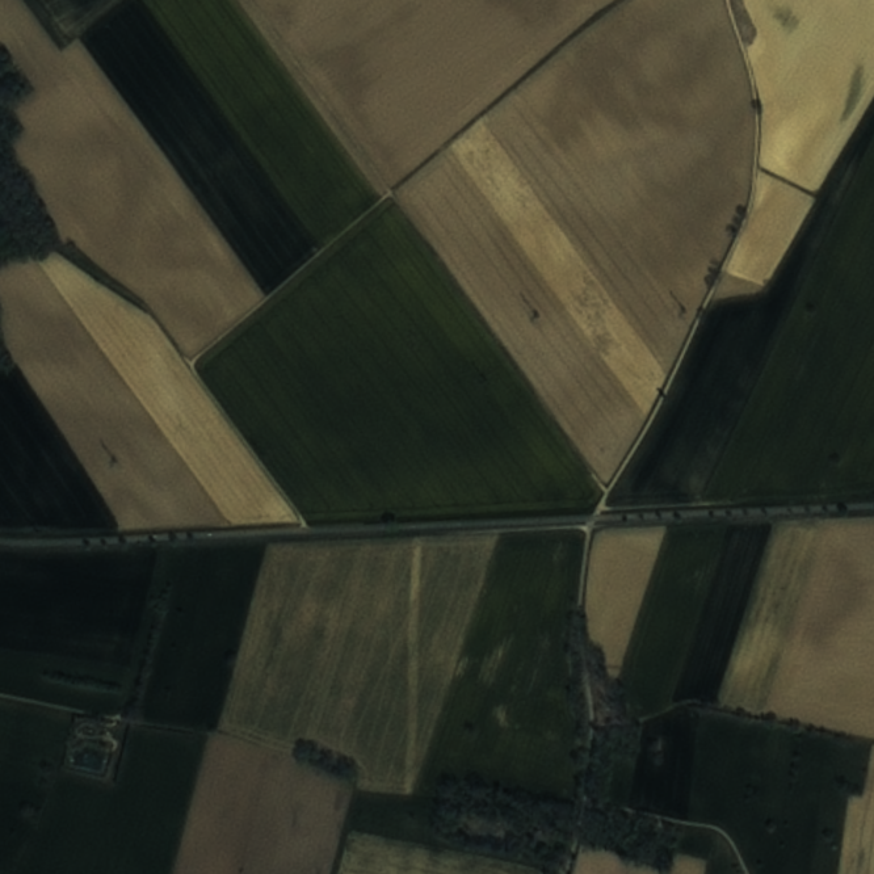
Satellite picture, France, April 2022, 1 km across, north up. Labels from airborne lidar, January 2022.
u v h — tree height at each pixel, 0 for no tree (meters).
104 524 0
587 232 0
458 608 0
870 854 0
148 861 0
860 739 0
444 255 0
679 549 0
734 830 0
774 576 0
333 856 0
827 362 0
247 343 0
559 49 0
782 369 0
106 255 0
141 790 0
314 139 0
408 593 0
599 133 0
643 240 0
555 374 0
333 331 0
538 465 0
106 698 0
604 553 0
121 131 0
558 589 0
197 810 0
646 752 0
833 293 0
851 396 0
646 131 0
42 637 0
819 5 0
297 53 0
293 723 0
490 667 0
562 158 0
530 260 0
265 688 0
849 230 0
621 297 0
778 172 0
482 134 0
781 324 0
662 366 0
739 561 0
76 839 0
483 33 0
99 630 0
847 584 0
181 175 0
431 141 0
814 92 0
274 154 0
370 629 0
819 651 0
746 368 0
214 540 0
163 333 0
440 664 0
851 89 0
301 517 0
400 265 0
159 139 0
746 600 0
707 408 0
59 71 0
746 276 0
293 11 0
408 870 0
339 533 0
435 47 0
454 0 0
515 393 0
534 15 0
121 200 0
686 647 0
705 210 0
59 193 0
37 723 0
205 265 0
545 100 0
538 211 0
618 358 0
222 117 0
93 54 0
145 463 0
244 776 0
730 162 0
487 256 0
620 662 0
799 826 0
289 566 0
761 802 0
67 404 0
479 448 0
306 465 0
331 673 0
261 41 0
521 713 0
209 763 0
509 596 0
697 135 0
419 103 0
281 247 0
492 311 0
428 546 0
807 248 0
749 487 0
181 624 0
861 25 0
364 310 0
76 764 0
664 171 0
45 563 0
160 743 0
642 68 0
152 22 0
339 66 0
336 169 0
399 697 0
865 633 0
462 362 0
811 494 0
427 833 0
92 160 0
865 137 0
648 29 0
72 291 0
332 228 0
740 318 0
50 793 0
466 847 9
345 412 0
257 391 0
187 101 0
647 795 0
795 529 0
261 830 0
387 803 0
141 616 0
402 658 0
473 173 0
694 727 0
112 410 0
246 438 0
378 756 0
